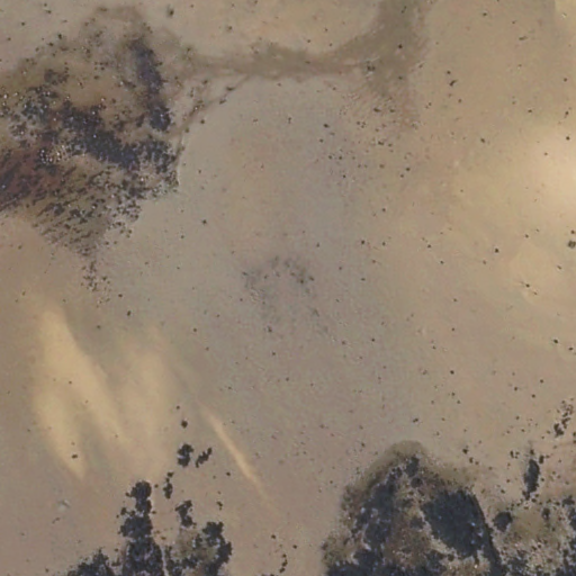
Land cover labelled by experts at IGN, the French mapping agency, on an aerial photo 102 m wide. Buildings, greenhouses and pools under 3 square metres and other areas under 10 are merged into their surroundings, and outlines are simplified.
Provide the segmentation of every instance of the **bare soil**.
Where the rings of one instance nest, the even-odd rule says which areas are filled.
[[[459,491],[475,495],[484,513],[484,520],[491,529],[493,545],[500,554],[502,565],[513,560],[518,551],[524,551],[529,576],[576,576],[576,0],[0,0],[0,576],[70,576],[68,572],[77,569],[83,563],[92,563],[97,554],[104,554],[108,560],[122,558],[124,549],[131,545],[131,538],[122,536],[122,524],[131,518],[151,520],[151,538],[160,547],[164,576],[205,576],[205,567],[214,560],[216,551],[227,542],[232,547],[232,554],[230,560],[221,567],[221,576],[326,576],[326,572],[340,563],[356,565],[358,551],[378,554],[392,567],[398,569],[419,569],[425,563],[425,554],[430,554],[432,549],[441,554],[441,565],[446,567],[443,576],[482,576],[488,569],[484,551],[461,558],[455,547],[448,547],[443,540],[434,536],[432,524],[423,511],[423,506],[428,502],[437,502],[441,493]]]

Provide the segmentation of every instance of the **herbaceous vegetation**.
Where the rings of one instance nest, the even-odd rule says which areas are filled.
[[[131,538],[131,545],[124,549],[122,558],[108,560],[104,554],[97,554],[92,563],[83,563],[77,569],[68,572],[70,576],[164,576],[160,547],[151,538],[151,520],[131,518],[122,524],[122,536]]]
[[[432,549],[430,554],[425,554],[425,563],[419,569],[398,569],[392,567],[378,554],[358,551],[356,565],[340,563],[326,572],[326,576],[443,576],[446,567],[441,565],[441,554]]]
[[[448,547],[455,547],[461,558],[484,551],[488,569],[482,576],[529,576],[524,551],[518,551],[513,560],[502,565],[500,554],[493,545],[491,529],[484,520],[484,513],[475,495],[459,491],[441,493],[437,502],[428,502],[423,506],[423,511],[432,524],[434,536],[443,540]]]
[[[216,551],[214,560],[205,567],[205,576],[221,576],[221,567],[230,560],[232,554],[232,547],[227,542]]]

